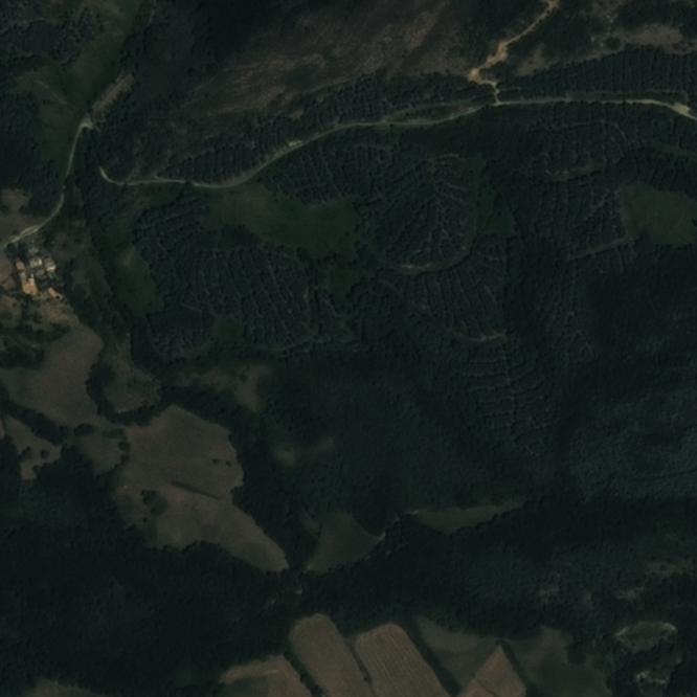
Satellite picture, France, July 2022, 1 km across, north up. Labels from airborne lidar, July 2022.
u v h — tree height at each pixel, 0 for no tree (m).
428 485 9
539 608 7
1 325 16
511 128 11
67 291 13
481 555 15
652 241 19
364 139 15
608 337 16
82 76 0
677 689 13
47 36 18
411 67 0
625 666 11
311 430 16
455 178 15
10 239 0
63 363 0
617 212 17
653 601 9
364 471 7
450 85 14
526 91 17
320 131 16
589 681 0
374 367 16
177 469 0
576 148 19
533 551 16
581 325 17
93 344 0
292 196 18
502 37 8
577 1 7
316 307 10
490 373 19
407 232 11
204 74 7
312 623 0
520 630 14
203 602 18
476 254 17
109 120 9
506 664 0
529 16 7
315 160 15
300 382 10
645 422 7
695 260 18
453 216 14
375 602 11
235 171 15
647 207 0
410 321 19
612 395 10
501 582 15
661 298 12
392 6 0
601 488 18
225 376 0
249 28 9
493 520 14
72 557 21
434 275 19
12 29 15
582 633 15
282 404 13
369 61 0
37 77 0
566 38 8
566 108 18
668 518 16
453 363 15
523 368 21
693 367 12
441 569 18
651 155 22
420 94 16
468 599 16
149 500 14
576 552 16
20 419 8
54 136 0
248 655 18
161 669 18
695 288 13
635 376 11
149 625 15
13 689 16
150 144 12
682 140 19
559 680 0
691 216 0
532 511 23
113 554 13
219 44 11
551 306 21
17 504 12
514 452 18
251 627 14
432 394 17
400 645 0
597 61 17
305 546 7
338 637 0
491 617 15
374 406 8
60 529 12
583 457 17
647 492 15
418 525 17
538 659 0
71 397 0
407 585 21
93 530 19
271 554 0
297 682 0
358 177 18
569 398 22
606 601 14
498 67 8
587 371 20
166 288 18
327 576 11
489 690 0
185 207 18
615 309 14
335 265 27
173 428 0
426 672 0
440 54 0
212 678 9
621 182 20
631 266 20
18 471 13
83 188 18
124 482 0
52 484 15
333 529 0
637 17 7
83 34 16
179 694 21
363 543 0
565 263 18
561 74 17
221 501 0
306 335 16
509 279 17
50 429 22
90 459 8
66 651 15
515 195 21
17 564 19
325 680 0
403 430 7
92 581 13
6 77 16
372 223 12
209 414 16
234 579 16
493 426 17
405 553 18
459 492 13
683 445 13
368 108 20
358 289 21
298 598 18
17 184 11
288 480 8
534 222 17
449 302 19
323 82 0
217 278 17
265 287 17
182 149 6
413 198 13
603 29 6
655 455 15
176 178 14
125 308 15
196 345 17
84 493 20
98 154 12
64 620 14
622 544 7
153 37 16
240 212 0
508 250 15
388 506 17
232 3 18
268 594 13
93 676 17
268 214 0
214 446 0
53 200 14
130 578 16
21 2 15
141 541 23
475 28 8
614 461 14
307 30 8
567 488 14
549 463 20
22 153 17
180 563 19
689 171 18
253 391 0
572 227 16
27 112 9
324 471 6
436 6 0
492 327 17
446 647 0
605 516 14
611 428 10
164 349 18
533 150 20
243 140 7
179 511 0
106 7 0
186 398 16
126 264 0
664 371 11
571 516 17
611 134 19
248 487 12
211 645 14
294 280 18
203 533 0
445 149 14
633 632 0
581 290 17
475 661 0
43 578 18
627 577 11
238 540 0
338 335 17
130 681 18
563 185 20
